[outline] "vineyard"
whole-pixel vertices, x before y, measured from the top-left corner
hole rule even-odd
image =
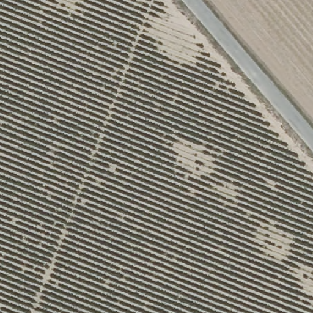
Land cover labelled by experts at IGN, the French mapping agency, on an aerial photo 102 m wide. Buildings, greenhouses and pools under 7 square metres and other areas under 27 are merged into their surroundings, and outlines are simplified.
[[[279,139],[278,132],[270,130],[270,122],[263,120],[262,112],[256,110],[256,104],[246,100],[245,94],[236,90],[234,82],[224,79],[226,73],[215,70],[215,67],[220,67],[218,62],[196,56],[197,65],[193,67],[170,59],[166,56],[166,50],[158,51],[155,44],[163,45],[163,42],[149,37],[148,31],[150,24],[158,15],[145,10],[145,7],[164,13],[164,2],[160,0],[0,0],[0,313],[313,313],[313,170],[304,169],[304,161],[298,160],[298,154],[292,152],[286,142]]]

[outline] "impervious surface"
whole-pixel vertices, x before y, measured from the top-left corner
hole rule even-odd
[[[236,65],[256,84],[260,93],[289,122],[292,130],[308,147],[313,144],[313,127],[303,120],[290,101],[279,92],[267,75],[264,75],[256,62],[232,38],[202,0],[182,0],[212,33],[216,42],[223,46]]]

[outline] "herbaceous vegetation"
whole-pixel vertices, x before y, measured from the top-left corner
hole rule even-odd
[[[172,4],[177,6],[182,15],[186,16],[213,48],[229,62],[231,70],[242,78],[260,103],[265,105],[265,109],[281,122],[282,130],[301,145],[303,152],[313,158],[313,144],[308,147],[292,130],[289,122],[260,93],[256,84],[236,65],[223,46],[216,42],[212,33],[182,0],[172,0]]]
[[[278,78],[258,59],[209,0],[202,0],[232,38],[256,62],[264,75],[267,75],[279,92],[290,101],[303,120],[313,127],[313,114],[308,116],[304,112],[295,98],[281,86]]]

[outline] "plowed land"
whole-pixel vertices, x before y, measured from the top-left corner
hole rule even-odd
[[[278,78],[281,86],[295,98],[304,112],[308,116],[313,114],[313,0],[209,0],[258,59]]]
[[[177,6],[172,4],[172,0],[160,0],[164,2],[164,13],[145,7],[145,10],[158,15],[150,24],[148,31],[149,37],[163,42],[163,45],[155,44],[158,51],[166,50],[166,56],[170,59],[193,67],[197,65],[196,56],[218,62],[220,67],[215,67],[215,70],[226,73],[224,79],[234,82],[236,90],[245,94],[246,100],[256,104],[256,110],[262,112],[263,120],[270,122],[270,130],[278,132],[279,139],[286,142],[292,152],[298,154],[298,160],[304,161],[304,169],[313,170],[313,158],[303,152],[301,145],[282,130],[281,122],[265,109],[265,105],[260,103],[242,78],[231,70],[229,62],[213,48],[186,16],[182,15]]]

